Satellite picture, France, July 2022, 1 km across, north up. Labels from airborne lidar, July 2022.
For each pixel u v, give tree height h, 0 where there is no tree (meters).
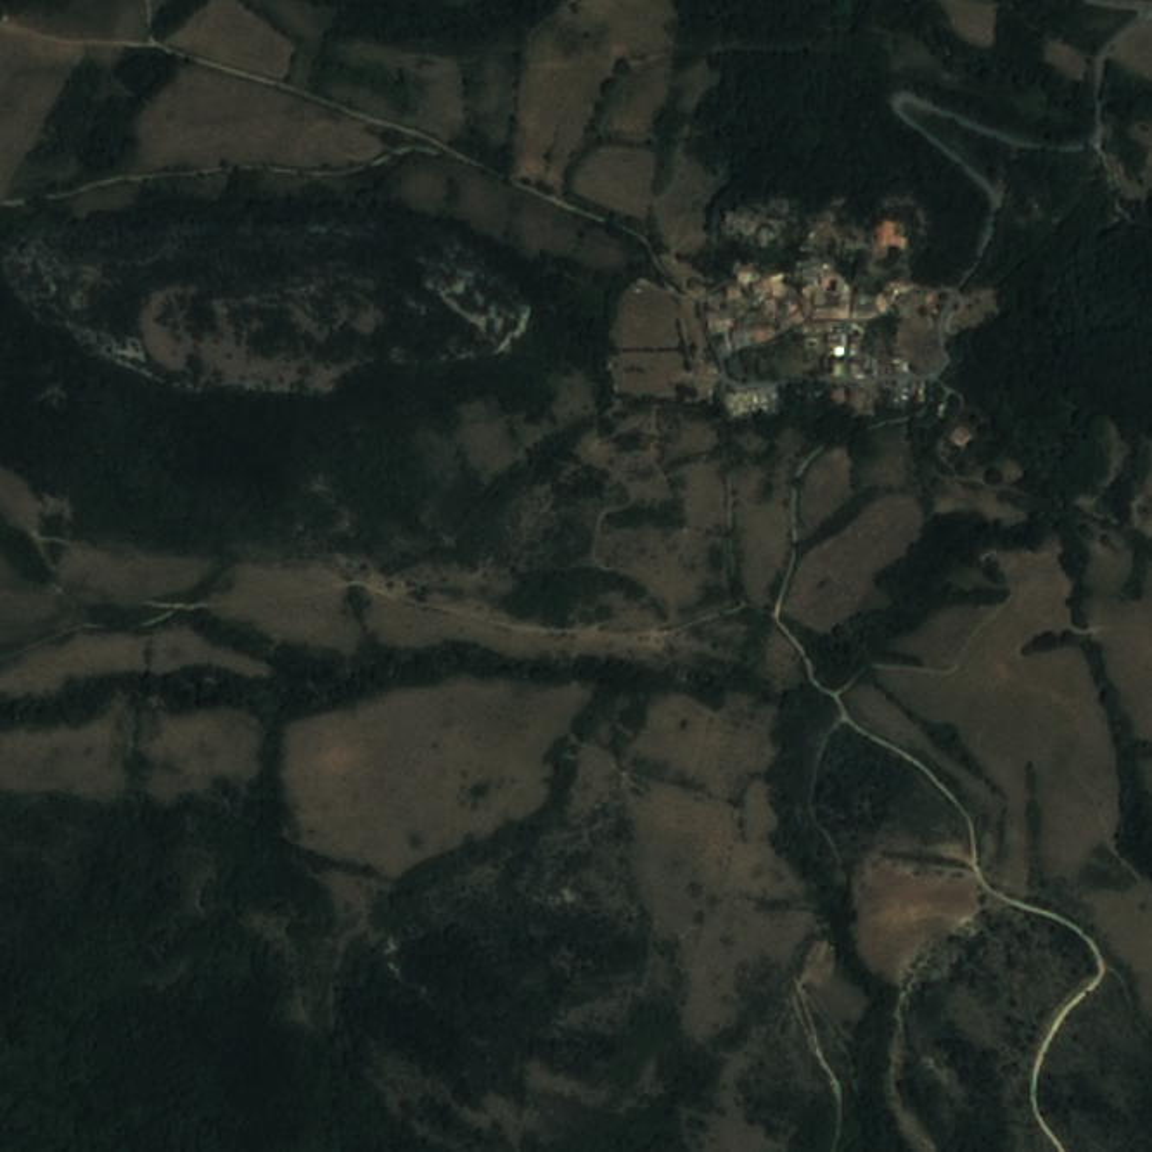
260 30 0
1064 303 12
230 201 10
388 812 0
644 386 0
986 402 5
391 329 6
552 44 0
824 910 7
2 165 0
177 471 7
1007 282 12
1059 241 10
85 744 0
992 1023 0
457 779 0
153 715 0
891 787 8
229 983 9
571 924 6
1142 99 12
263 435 11
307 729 0
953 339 5
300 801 0
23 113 0
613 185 0
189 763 0
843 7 16
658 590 0
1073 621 7
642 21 0
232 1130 7
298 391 14
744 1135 0
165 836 8
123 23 0
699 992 0
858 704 0
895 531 0
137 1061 16
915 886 0
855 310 0
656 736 0
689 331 0
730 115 14
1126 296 15
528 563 6
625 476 0
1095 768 0
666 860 0
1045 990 0
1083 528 9
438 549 8
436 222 10
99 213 10
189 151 0
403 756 0
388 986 11
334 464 5
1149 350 12
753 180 11
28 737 0
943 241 9
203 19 0
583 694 0
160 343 0
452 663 8
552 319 12
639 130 0
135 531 7
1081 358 17
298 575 0
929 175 7
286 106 0
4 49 0
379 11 10
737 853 0
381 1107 8
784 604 0
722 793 0
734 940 0
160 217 8
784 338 6
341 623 0
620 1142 10
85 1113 15
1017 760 0
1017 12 8
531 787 0
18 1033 9
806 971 0
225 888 10
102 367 10
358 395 14
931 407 9
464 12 8
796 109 9
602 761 0
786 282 8
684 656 0
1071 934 7
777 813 6
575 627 0
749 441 0
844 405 8
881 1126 10
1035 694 0
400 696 0
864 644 11
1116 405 13
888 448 0
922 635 0
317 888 8
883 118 9
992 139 7
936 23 8
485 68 0
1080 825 0
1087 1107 7
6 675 0
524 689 0
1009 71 14
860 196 12
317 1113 8
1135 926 0
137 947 7
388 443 6
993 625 0
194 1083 9
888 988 6
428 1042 7
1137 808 11
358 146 0
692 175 0
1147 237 15
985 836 0
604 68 0
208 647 0
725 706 0
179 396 9
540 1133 0
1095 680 8
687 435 0
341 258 5
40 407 11
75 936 7
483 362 10
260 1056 11
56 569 0
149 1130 12
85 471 6
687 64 8
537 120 0
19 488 0
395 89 7
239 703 7
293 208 7
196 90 0
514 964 7
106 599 0
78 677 0
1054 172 12
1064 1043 0
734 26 11
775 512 0
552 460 7
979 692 0
